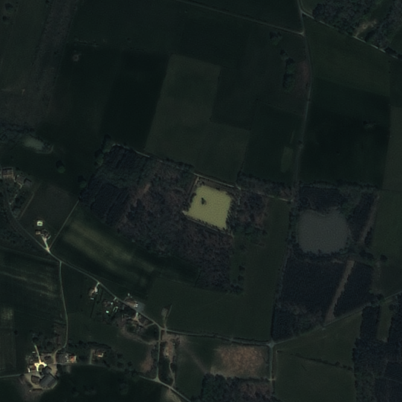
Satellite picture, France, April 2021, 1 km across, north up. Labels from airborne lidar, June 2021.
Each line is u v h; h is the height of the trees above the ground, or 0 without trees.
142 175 11
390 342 11
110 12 0
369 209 8
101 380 0
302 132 0
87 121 0
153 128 0
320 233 0
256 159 0
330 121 0
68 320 0
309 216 0
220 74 0
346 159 0
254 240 15
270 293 0
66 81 0
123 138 0
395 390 8
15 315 0
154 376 9
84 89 0
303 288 8
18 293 0
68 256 0
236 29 0
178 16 0
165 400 0
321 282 8
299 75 0
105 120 0
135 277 0
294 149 0
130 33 0
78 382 0
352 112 0
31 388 11
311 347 0
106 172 9
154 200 19
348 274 0
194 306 0
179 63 0
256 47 0
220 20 0
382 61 0
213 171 0
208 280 6
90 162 0
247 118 0
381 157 0
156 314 0
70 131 0
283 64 0
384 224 0
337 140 0
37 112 0
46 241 0
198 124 0
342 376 0
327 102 0
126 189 13
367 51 0
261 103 0
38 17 0
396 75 0
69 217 0
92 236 0
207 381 18
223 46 0
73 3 0
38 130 0
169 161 13
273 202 0
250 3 0
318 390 0
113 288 0
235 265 0
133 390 0
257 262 0
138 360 0
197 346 0
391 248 0
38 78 0
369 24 0
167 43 0
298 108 0
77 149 0
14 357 0
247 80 0
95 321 0
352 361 0
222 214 0
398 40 0
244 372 0
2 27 0
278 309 11
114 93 0
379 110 0
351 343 0
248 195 10
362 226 8
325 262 11
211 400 19
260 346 7
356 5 19
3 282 0
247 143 0
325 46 0
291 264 8
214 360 0
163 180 9
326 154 0
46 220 0
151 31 0
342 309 11
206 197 0
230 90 0
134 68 0
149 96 0
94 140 0
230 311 0
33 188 0
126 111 0
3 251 0
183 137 0
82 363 13
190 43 0
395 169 0
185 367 0
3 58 0
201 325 0
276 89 0
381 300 15
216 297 0
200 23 0
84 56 0
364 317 10
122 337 0
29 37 0
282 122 0
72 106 0
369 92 0
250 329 0
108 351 7
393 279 0
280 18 0
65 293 0
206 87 0
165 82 0
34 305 0
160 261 0
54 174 0
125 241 0
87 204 11
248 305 0
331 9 13
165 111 0
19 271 0
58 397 0
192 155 0
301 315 9
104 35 0
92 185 12
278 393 0
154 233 7
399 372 8
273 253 0
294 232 11
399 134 0
